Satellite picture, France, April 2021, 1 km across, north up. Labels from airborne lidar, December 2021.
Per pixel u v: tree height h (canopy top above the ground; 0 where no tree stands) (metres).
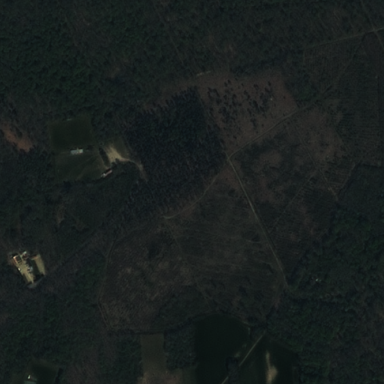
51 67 23
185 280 0
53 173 13
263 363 0
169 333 20
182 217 0
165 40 31
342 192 8
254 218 0
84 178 0
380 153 8
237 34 22
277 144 0
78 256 16
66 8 27
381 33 7
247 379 0
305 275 20
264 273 0
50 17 21
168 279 0
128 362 21
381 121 13
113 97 25
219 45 28
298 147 0
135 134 20
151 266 0
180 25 27
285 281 0
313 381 23
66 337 21
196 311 10
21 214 6
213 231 0
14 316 25
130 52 33
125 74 32
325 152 0
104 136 24
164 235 0
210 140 24
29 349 24
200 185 27
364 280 34
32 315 23
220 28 29
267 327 17
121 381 21
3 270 10
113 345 20
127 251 0
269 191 0
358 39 8
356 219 26
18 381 0
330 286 12
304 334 26
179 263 0
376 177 17
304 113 0
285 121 0
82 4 31
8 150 20
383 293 26
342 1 33
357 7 29
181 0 29
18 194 20
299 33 28
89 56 28
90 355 20
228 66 27
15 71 19
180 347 23
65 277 18
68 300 24
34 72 23
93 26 30
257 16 28
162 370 0
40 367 0
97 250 12
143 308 0
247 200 0
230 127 25
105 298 0
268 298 7
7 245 27
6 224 18
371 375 22
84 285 26
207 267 0
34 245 26
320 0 25
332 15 33
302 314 24
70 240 11
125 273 0
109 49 10
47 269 18
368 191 20
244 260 0
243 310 27
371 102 7
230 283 0
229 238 0
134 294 0
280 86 0
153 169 26
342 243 28
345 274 22
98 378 21
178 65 28
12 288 19
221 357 0
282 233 0
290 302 21
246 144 0
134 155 19
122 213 11
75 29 29
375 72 10
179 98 22
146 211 11
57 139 0
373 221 19
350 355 36
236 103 23
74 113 11
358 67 6
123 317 0
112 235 13
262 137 0
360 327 26
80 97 17
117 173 10
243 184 0
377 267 22
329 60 7
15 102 24
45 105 28
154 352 0
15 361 27
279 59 26
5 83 24
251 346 0
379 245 17
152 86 30
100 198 14
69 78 27
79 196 11
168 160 21
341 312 34
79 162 0
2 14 31
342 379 28
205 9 19
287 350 0
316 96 17
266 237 0
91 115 19
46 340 27
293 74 33
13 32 20
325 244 20
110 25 30
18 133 14
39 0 29
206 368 0
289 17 29
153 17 30
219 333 0
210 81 0
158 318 8
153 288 0
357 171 14
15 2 29
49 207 9
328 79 6
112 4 31
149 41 29
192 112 26
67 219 13
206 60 27
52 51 26
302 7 29
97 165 0
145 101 23
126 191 10
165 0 26
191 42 27
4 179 18
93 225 10
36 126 19
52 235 11
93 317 26
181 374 0
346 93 6
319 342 26
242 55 27
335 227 26
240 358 0
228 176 0
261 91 0
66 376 21
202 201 0
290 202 0
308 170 0
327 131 0
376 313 40
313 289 20
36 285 0
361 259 27
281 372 0
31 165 24
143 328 0
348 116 8
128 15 32
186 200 26
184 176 23
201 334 0
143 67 31
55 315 26
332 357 32
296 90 28
